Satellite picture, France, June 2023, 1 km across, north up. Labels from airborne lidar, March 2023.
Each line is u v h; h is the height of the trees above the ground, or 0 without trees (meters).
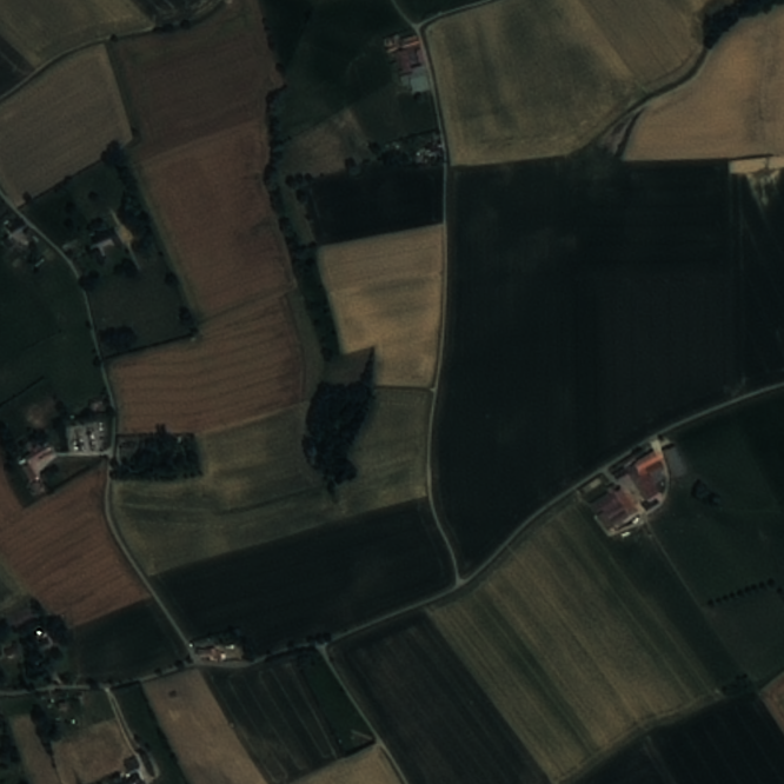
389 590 0
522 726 0
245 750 0
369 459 0
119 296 0
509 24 0
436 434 0
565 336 0
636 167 0
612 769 0
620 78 0
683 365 0
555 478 0
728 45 0
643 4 0
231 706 0
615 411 0
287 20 0
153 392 0
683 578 0
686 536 0
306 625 0
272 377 0
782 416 0
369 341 0
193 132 0
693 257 0
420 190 0
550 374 0
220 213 0
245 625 0
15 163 0
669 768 0
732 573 0
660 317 0
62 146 0
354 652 0
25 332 0
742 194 0
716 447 0
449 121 0
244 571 0
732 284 0
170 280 11
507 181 0
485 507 0
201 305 0
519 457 0
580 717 0
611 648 0
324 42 0
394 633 0
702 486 12
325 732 0
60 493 0
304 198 12
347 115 0
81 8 0
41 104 0
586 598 0
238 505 0
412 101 0
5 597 0
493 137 0
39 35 0
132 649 0
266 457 0
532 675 0
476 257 0
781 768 0
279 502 0
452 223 0
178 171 0
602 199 0
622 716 0
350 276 0
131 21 0
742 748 0
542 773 0
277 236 0
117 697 0
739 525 0
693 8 0
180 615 0
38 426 0
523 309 0
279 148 10
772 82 0
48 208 0
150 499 0
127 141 0
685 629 0
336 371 0
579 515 0
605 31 0
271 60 0
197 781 0
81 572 0
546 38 0
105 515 0
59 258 0
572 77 0
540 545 0
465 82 0
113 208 0
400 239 0
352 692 0
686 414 0
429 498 0
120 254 0
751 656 0
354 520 0
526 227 0
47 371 0
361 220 0
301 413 0
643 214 0
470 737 0
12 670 0
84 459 0
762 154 0
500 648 0
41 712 17
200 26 0
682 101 0
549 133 0
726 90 0
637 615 0
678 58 0
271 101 14
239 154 0
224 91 0
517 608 0
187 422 0
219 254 0
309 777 0
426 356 0
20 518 0
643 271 0
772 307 0
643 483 0
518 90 0
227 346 0
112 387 0
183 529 0
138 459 14
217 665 0
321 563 0
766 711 0
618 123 0
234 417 0
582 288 0
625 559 0
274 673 0
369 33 0
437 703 0
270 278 0
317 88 0
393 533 0
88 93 0
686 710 0
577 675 0
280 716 0
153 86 0
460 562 0
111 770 0
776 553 0
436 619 0
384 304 0
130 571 0
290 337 0
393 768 0
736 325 0
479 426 0
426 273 0
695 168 0
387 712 0
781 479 0
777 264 0
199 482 0
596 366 0
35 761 0
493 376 0
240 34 0
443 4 0
